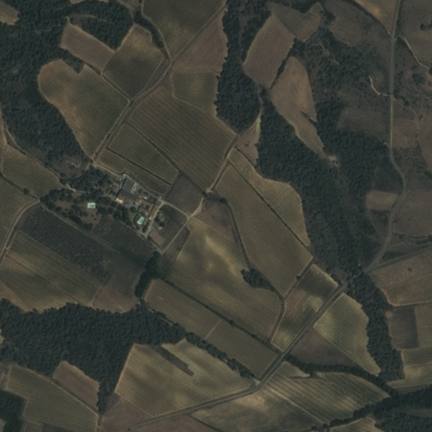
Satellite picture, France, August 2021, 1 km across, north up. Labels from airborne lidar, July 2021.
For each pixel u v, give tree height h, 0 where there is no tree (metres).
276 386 0
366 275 13
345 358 0
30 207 0
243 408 0
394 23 0
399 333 0
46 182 0
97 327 10
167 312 0
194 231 0
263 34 0
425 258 0
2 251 0
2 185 0
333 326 0
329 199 8
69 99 0
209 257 0
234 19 11
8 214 0
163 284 0
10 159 0
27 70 7
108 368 10
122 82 0
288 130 10
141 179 0
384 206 0
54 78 0
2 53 13
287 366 0
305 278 0
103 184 19
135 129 0
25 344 9
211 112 0
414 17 0
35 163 0
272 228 0
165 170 0
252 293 0
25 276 0
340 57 7
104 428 0
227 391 0
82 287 0
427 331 0
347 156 9
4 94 12
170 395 0
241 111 12
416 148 0
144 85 0
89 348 7
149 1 0
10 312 10
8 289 0
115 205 0
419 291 0
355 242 10
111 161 0
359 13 0
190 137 0
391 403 18
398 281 0
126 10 10
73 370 0
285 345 0
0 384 0
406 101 8
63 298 0
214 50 0
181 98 0
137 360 0
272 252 0
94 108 0
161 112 0
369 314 13
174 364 0
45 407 0
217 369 0
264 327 0
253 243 0
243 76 9
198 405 0
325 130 14
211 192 0
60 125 15
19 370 0
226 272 0
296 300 0
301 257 0
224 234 0
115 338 16
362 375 15
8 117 9
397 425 14
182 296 0
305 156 14
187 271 0
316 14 0
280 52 0
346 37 0
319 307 0
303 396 0
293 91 0
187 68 0
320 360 0
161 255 15
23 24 13
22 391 0
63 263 0
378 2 0
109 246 0
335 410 0
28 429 0
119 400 0
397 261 0
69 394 0
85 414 0
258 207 0
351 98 0
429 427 17
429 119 0
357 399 0
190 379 0
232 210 0
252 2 7
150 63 0
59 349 16
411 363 0
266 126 7
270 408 0
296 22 0
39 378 0
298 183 10
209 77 0
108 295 0
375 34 0
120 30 10
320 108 9
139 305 7
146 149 0
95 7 13
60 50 13
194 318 0
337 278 9
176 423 0
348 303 0
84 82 0
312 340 0
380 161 17
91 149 0
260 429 0
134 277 0
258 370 0
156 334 15
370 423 0
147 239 6
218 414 0
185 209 0
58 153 12
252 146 0
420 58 0
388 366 8
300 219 0
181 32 0
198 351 0
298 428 0
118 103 0
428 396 11
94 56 0
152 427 0
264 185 0
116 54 0
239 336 0
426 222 0
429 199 0
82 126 0
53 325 15
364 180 11
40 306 0
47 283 0
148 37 0
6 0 6
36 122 7
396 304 0
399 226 0
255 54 0
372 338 14
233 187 0
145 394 0
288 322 0
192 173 0
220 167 0
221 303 0
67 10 6
